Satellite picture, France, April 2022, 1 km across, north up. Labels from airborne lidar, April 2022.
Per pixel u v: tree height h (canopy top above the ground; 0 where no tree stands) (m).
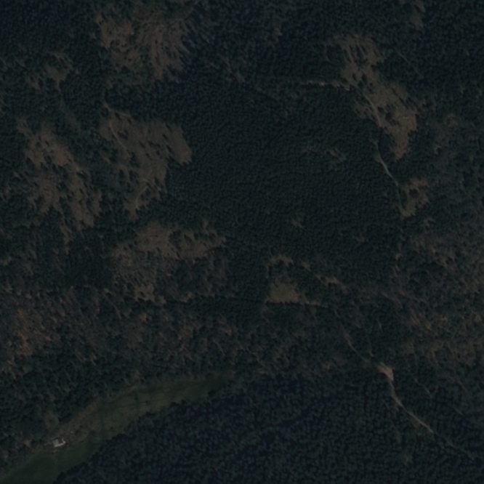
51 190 8
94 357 28
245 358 25
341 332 21
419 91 23
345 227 22
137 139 0
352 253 17
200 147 25
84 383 31
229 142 26
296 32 16
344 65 22
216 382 0
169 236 0
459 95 29
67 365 32
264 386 27
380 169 23
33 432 22
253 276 20
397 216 22
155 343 24
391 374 0
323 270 22
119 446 26
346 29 23
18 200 20
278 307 22
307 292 16
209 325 25
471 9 7
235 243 26
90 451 0
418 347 26
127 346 28
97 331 26
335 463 24
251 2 20
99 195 18
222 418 22
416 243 19
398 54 25
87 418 10
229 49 24
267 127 20
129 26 12
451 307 23
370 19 24
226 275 19
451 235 21
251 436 26
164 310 23
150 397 0
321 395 28
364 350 22
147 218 19
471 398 28
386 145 19
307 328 30
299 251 20
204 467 27
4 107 13
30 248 15
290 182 20
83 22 20
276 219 25
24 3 27
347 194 25
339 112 21
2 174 20
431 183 16
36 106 18
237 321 25
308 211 21
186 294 16
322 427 24
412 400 24
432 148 26
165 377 28
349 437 20
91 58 25
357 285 18
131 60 6
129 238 22
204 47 23
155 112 26
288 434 24
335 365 21
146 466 31
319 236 19
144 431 27
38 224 16
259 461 30
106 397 23
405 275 19
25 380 26
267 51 24
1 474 28
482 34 35
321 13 25
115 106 24
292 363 23
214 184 24
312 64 17
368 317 15
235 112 20
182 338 28
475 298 29
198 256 0
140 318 26
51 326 6
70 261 16
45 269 19
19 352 29
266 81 17
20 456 20
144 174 0
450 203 21
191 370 28
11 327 23
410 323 19
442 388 10
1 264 19
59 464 0
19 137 21
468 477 25
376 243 18
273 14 23
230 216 21
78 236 20
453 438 26
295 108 17
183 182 23
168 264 21
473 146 24
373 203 22
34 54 19
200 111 22
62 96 14
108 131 0
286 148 22
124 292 21
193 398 0
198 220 22
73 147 9
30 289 19
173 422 26
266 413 25
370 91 17
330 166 22
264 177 22
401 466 25
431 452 8
